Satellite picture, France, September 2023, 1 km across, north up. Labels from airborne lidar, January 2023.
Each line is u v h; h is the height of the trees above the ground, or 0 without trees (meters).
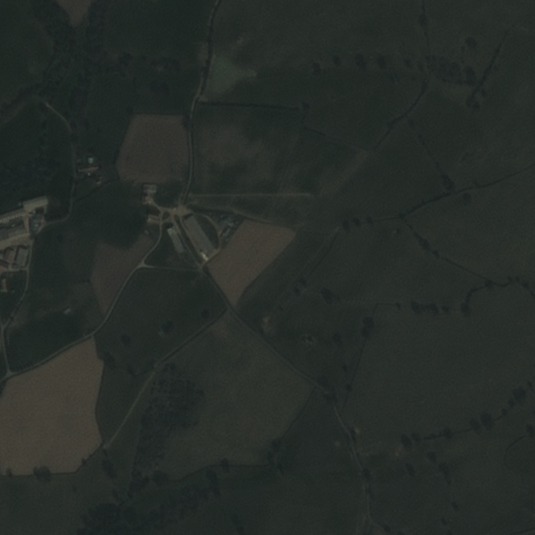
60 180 0
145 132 0
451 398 0
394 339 0
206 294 0
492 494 0
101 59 10
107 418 0
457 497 0
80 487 0
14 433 0
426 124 0
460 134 0
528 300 0
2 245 0
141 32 0
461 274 0
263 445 0
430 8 0
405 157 0
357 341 0
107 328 0
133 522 20
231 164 0
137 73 0
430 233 0
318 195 0
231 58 0
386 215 0
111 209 0
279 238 0
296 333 0
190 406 8
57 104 0
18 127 0
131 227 0
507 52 0
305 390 0
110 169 0
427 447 0
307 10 0
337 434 0
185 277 0
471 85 14
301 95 0
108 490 0
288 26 0
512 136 0
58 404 0
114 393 0
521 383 0
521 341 0
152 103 0
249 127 0
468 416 0
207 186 0
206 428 0
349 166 0
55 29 12
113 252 0
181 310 0
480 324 0
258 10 0
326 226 0
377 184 0
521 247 0
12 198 0
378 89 0
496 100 0
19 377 0
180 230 0
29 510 0
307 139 0
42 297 0
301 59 0
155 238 0
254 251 0
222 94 0
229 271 0
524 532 0
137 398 0
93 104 0
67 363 0
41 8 13
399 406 0
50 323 0
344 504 0
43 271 0
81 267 0
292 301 0
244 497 0
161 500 0
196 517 0
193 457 0
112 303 0
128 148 0
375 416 0
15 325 0
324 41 0
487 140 0
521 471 0
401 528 0
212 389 0
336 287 0
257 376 0
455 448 0
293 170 0
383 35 0
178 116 0
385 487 0
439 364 0
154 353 0
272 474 0
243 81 0
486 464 0
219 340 0
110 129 0
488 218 0
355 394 0
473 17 0
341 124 0
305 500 0
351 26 0
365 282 0
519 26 0
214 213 0
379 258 0
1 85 0
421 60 0
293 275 0
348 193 0
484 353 0
